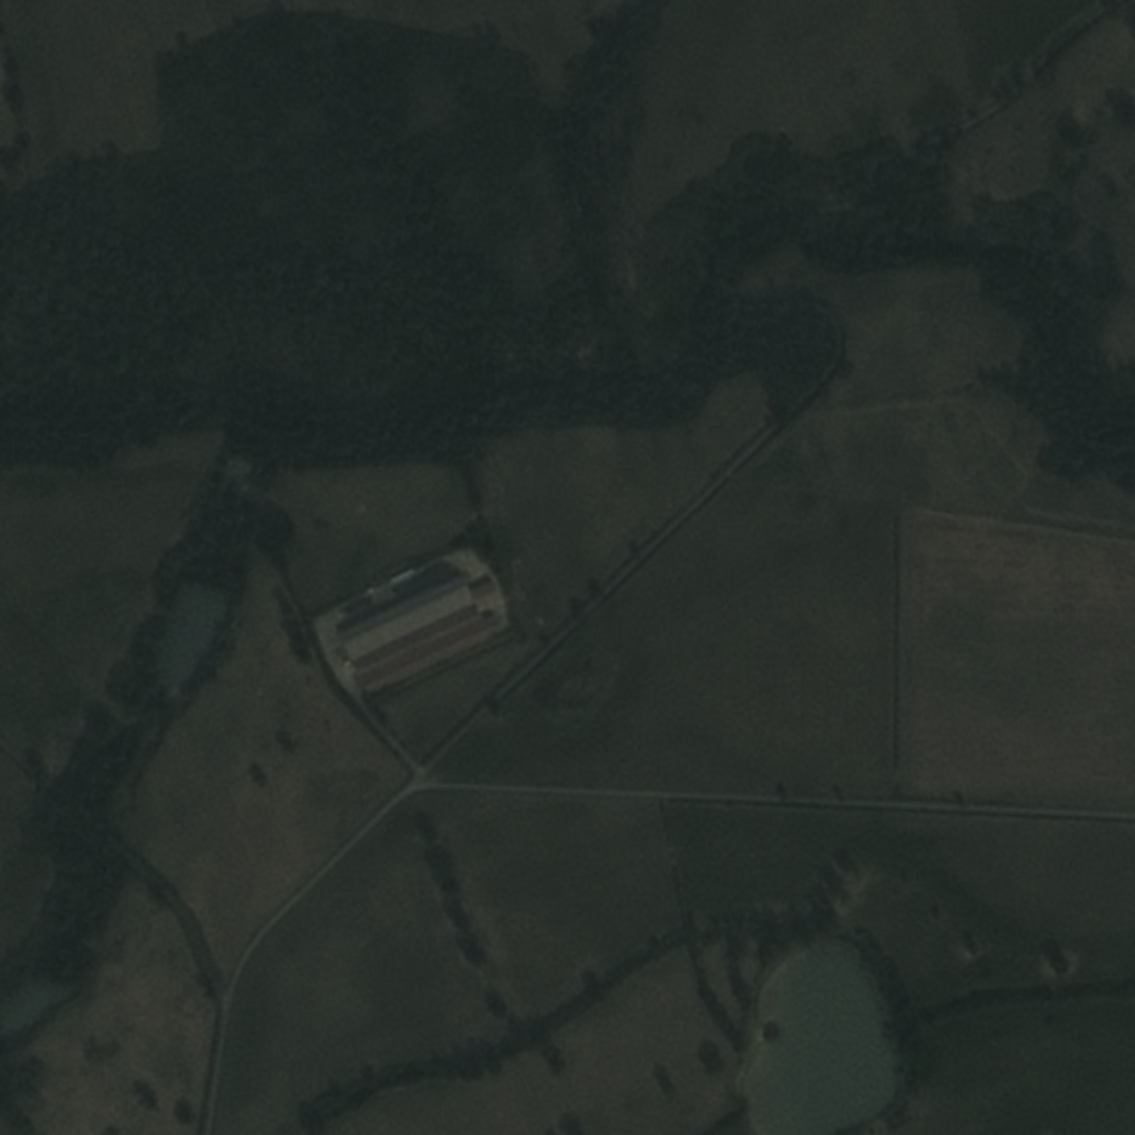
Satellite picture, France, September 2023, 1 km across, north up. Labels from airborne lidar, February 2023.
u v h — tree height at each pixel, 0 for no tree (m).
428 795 0
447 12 0
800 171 8
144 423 25
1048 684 0
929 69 0
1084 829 0
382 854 0
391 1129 0
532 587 0
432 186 9
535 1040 19
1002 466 0
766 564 0
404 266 12
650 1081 0
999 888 0
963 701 0
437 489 0
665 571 0
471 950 20
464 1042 0
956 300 0
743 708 0
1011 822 0
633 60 12
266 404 19
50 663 0
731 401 0
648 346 0
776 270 0
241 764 0
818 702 0
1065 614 0
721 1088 0
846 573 0
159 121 0
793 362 18
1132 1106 0
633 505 0
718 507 0
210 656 8
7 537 0
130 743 13
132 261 15
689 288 0
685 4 0
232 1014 0
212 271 18
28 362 17
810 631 0
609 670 0
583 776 0
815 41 0
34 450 18
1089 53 0
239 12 0
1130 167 0
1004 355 0
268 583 0
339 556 0
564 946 0
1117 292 11
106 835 14
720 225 15
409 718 0
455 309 16
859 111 0
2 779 0
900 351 0
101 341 18
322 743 0
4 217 19
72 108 0
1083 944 0
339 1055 0
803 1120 0
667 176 0
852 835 0
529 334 8
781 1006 0
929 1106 0
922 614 0
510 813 0
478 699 0
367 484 0
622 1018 0
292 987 0
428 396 16
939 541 0
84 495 0
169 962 0
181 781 0
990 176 0
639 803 0
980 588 0
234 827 0
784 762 0
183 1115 14
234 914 0
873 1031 0
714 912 0
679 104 0
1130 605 0
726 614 0
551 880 0
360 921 0
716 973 0
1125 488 12
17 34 0
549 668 0
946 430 0
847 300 0
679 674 0
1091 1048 0
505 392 18
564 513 0
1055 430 11
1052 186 0
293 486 0
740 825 0
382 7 0
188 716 0
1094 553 0
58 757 0
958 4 0
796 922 18
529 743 0
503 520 0
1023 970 0
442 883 14
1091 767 0
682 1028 0
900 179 17
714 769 0
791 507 0
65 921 9
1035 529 0
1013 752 0
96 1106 0
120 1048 0
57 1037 0
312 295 7
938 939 0
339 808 0
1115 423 11
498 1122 0
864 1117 0
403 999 0
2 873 0
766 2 0
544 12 0
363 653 0
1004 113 0
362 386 13
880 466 0
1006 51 0
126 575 0
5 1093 10
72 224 14
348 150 10
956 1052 0
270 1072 0
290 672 0
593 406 12
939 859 0
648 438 0
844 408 0
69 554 0
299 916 0
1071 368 16
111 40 0
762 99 0
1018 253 12
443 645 0
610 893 0
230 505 7
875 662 0
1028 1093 0
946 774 0
